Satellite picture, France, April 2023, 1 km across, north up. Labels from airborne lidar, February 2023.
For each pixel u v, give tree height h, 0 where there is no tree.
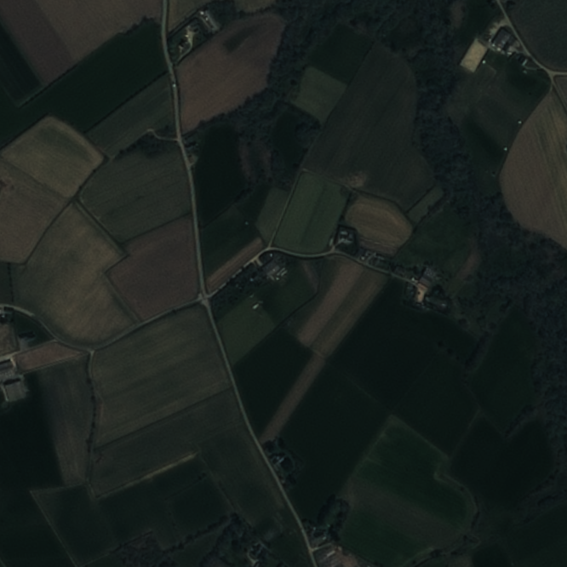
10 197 0
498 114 0
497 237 11
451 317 0
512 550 0
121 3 0
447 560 0
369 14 0
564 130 0
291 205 0
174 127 0
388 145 0
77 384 0
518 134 0
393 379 0
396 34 0
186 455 0
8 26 0
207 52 0
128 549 8
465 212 6
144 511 0
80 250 0
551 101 0
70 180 0
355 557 0
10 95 0
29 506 0
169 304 0
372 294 0
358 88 0
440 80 12
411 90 0
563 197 0
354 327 0
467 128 0
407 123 0
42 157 0
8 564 0
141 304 0
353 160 0
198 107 0
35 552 0
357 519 0
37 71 0
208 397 0
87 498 0
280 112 10
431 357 0
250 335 0
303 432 0
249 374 0
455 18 0
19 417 0
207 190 0
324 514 17
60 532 0
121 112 0
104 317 0
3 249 0
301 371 0
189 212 0
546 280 26
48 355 0
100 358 0
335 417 0
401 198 0
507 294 6
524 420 11
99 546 0
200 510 0
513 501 0
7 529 0
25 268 0
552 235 0
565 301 6
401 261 0
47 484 0
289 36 15
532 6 0
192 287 0
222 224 0
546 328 18
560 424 10
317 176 0
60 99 0
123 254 0
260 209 0
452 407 0
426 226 0
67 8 0
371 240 0
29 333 0
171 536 0
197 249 0
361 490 0
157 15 0
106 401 0
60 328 0
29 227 0
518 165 0
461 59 0
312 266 0
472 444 0
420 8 9
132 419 0
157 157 0
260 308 0
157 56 0
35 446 0
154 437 0
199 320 0
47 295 0
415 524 0
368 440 0
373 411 0
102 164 0
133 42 0
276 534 0
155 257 0
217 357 0
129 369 0
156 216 0
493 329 11
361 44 0
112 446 0
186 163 0
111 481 0
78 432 0
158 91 0
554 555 0
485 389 0
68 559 0
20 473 0
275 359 0
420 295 0
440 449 0
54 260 0
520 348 0
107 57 0
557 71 0
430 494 0
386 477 0
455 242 0
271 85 8
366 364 0
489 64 0
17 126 0
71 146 0
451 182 6
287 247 0
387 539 0
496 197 6
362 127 0
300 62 17
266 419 0
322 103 0
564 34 0
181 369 0
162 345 0
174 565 10
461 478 0
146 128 0
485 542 0
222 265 0
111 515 0
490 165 0
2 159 0
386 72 0
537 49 0
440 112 21
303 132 13
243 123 8
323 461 0
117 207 0
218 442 0
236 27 0
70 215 0
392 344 0
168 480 0
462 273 0
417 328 0
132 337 0
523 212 0
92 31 0
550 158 0
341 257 0
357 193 0
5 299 0
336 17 21
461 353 0
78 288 0
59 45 0
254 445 0
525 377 0
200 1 0
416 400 0
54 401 0
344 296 0
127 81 0
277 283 0
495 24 0
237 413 0
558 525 0
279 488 0
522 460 0
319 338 0
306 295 0
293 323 0
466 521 0
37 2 0
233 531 15
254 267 6
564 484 0
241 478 0
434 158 9
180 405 0
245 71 0
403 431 0
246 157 0
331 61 0
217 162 0
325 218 0
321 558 0
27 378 0
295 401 0
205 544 0
